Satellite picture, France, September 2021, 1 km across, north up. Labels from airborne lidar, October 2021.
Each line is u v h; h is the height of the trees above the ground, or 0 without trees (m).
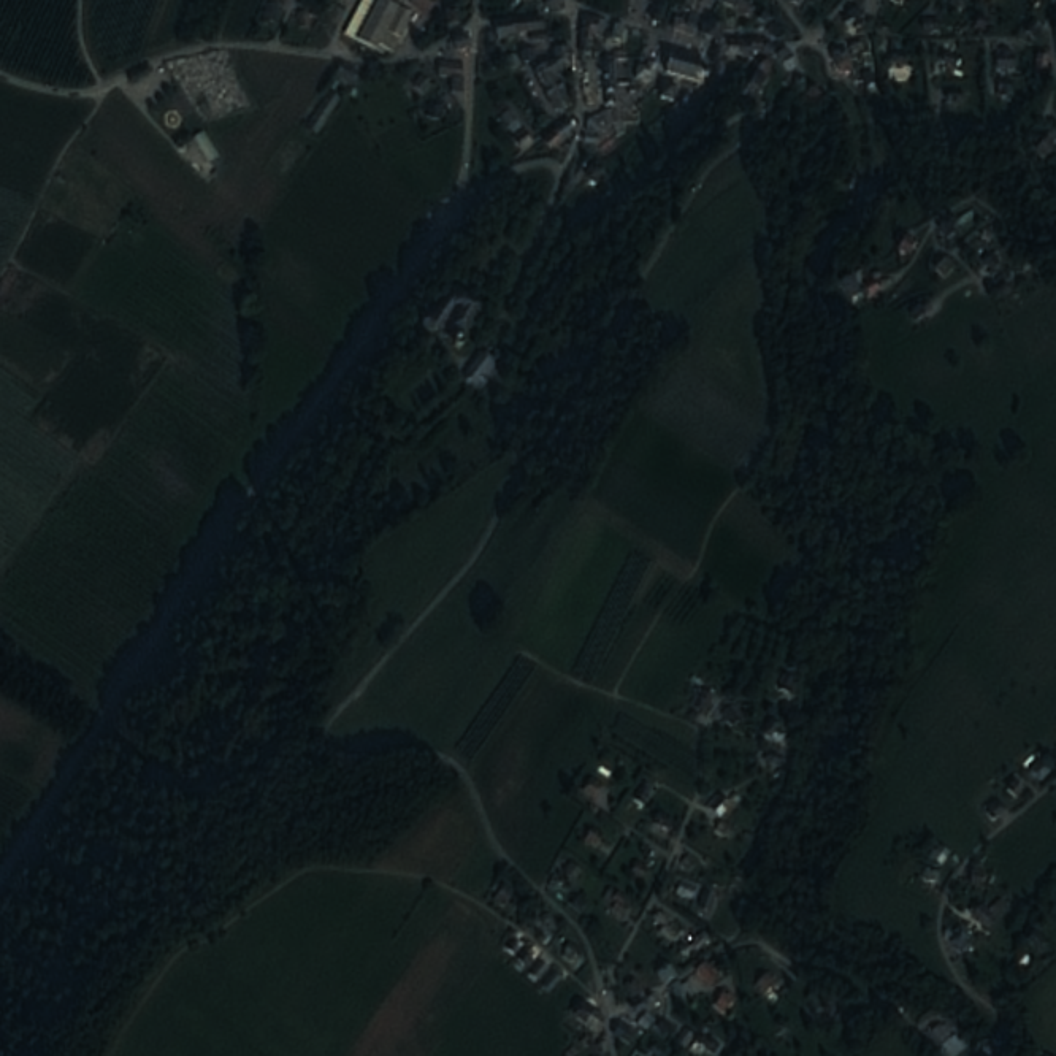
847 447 23
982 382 0
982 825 0
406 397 0
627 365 18
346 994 0
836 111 17
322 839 22
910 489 28
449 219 0
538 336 10
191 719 13
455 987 0
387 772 22
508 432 21
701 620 0
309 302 0
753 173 13
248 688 16
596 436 19
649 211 17
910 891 0
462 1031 0
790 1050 7
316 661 19
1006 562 0
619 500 0
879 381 0
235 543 23
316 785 26
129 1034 0
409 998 0
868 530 31
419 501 10
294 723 19
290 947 0
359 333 0
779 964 0
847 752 31
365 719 0
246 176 0
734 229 0
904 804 0
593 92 0
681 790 0
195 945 9
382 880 0
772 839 23
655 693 0
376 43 0
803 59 0
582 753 0
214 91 0
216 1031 0
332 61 0
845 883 0
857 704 19
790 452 23
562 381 18
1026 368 0
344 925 0
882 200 20
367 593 13
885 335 0
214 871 16
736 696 6
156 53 0
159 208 0
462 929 0
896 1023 21
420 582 0
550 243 12
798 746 16
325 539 17
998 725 0
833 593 21
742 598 0
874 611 23
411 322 26
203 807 20
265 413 0
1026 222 16
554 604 0
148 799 19
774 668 10
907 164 20
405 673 0
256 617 25
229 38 0
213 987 0
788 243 18
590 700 0
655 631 0
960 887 6
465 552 0
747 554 0
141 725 23
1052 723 0
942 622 0
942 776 0
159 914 21
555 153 7
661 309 0
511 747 0
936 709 0
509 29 0
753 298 0
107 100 0
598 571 0
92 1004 16
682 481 0
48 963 17
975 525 0
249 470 0
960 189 14
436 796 15
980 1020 18
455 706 0
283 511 28
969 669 0
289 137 0
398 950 0
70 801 15
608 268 8
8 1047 19
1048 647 0
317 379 0
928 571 29
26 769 0
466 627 0
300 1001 0
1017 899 0
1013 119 8
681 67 0
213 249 0
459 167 0
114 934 17
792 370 28
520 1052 0
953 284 0
